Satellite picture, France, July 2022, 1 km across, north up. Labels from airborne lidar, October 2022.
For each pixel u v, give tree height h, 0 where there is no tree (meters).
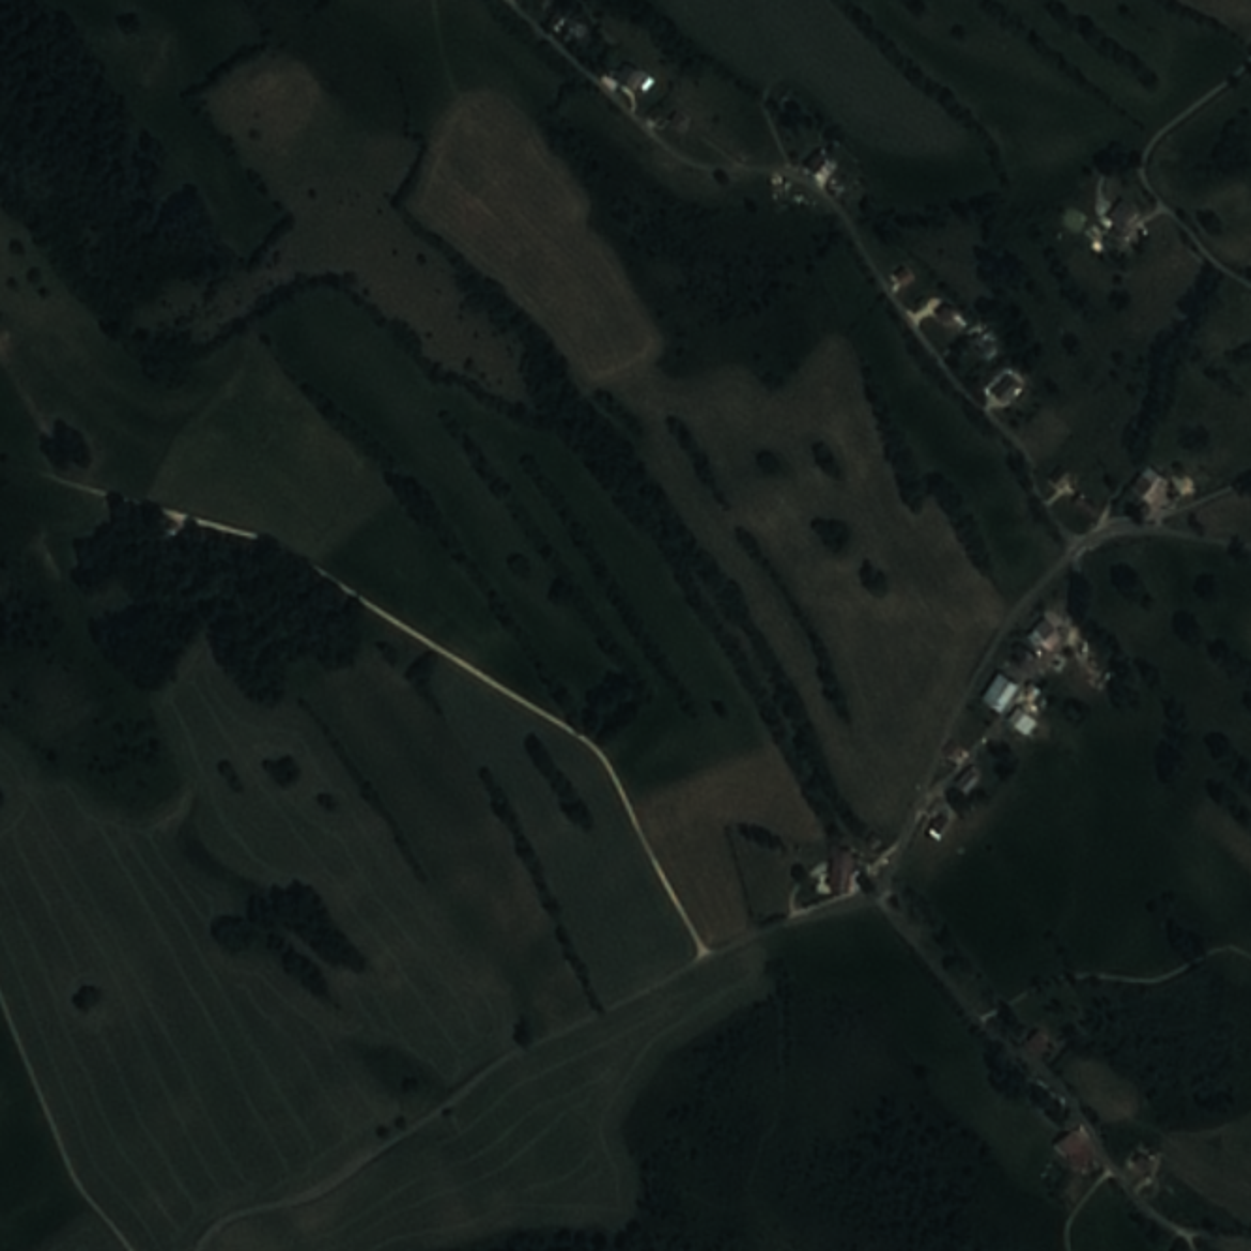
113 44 0
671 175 0
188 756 0
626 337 0
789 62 0
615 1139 0
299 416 0
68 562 0
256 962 0
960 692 0
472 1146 0
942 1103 0
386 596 0
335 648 7
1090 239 0
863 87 0
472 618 0
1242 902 0
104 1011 0
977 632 0
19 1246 0
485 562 0
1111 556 0
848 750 0
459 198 0
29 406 0
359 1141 0
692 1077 0
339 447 0
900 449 23
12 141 6
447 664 0
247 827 0
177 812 0
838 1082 0
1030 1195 0
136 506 10
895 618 0
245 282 0
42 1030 0
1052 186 0
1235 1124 0
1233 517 0
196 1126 0
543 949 0
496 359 0
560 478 0
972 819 0
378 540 0
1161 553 0
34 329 0
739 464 0
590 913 0
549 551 13
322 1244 0
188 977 0
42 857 0
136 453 0
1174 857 0
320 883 0
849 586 0
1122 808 0
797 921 0
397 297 0
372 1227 0
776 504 0
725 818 0
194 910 0
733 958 0
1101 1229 0
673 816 0
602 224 0
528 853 17
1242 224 0
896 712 0
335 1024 0
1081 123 0
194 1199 0
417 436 0
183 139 0
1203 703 0
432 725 0
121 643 30
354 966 12
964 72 0
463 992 0
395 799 0
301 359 0
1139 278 0
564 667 0
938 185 0
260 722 0
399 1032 0
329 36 0
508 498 8
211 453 0
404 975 0
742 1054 6
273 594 17
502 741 0
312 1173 0
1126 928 0
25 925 0
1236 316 0
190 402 0
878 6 0
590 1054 0
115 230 8
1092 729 0
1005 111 0
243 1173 0
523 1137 0
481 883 0
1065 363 0
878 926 0
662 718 0
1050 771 0
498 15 8
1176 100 0
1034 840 0
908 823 0
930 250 0
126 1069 0
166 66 0
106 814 0
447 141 0
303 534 0
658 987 0
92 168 15
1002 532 0
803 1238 0
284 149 0
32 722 0
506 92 0
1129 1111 0
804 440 0
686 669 0
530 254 0
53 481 0
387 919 0
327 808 8
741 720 0
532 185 0
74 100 18
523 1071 0
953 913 0
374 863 0
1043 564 0
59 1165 0
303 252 0
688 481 0
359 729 0
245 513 0
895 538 0
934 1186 13
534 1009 0
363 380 0
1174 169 0
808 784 17
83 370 0
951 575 0
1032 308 0
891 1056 0
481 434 0
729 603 7
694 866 0
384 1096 0
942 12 0
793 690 19
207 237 18
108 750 0
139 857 0
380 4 0
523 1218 0
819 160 0
